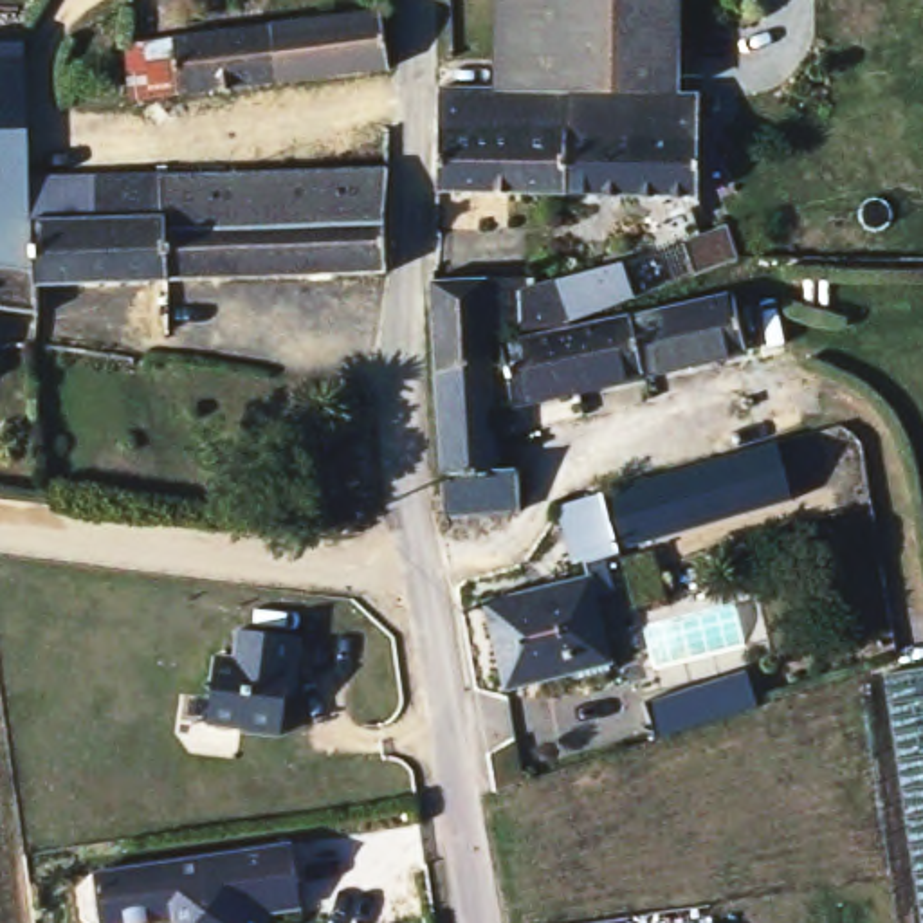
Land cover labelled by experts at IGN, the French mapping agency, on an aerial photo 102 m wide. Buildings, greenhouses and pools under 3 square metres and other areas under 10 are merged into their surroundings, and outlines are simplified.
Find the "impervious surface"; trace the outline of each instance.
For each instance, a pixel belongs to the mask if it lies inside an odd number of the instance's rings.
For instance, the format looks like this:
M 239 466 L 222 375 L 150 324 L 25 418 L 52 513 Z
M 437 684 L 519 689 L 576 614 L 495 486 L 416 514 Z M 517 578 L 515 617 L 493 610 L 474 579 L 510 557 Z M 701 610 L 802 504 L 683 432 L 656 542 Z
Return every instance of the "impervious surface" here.
M 728 602 L 739 609 L 746 649 L 764 645 L 768 631 L 764 602 L 757 595 L 743 595 L 732 595 Z
M 790 0 L 772 14 L 761 11 L 757 22 L 739 18 L 736 83 L 743 87 L 743 94 L 761 94 L 793 83 L 800 58 L 811 50 L 815 0 Z
M 393 728 L 393 739 L 375 754 L 382 764 L 404 764 L 407 790 L 415 790 L 418 811 L 411 818 L 418 826 L 357 833 L 353 840 L 353 865 L 321 898 L 324 923 L 505 923 L 483 818 L 483 793 L 494 790 L 498 775 L 516 779 L 519 772 L 526 772 L 530 779 L 541 779 L 552 772 L 544 761 L 537 761 L 534 743 L 552 743 L 570 728 L 591 728 L 591 739 L 599 746 L 617 743 L 624 736 L 645 739 L 656 736 L 649 725 L 649 699 L 671 689 L 656 671 L 645 667 L 645 649 L 631 663 L 591 663 L 580 667 L 573 678 L 591 678 L 606 671 L 609 685 L 602 685 L 595 696 L 591 685 L 577 685 L 566 696 L 544 696 L 541 685 L 519 685 L 512 678 L 501 681 L 498 671 L 483 671 L 472 613 L 490 606 L 487 591 L 530 584 L 573 562 L 570 544 L 562 541 L 562 512 L 541 508 L 537 501 L 516 516 L 447 512 L 443 494 L 433 490 L 429 469 L 418 465 L 425 436 L 411 429 L 411 404 L 404 400 L 404 386 L 415 379 L 415 364 L 407 357 L 422 353 L 425 296 L 433 288 L 436 267 L 516 260 L 523 256 L 523 238 L 512 227 L 508 213 L 519 206 L 523 195 L 454 191 L 451 202 L 436 202 L 429 187 L 429 177 L 440 173 L 440 90 L 458 79 L 494 83 L 498 65 L 490 58 L 465 58 L 465 0 L 389 0 L 382 36 L 389 61 L 397 65 L 389 79 L 321 90 L 260 90 L 213 112 L 195 112 L 191 105 L 166 112 L 162 105 L 148 108 L 144 115 L 79 112 L 65 115 L 54 101 L 54 47 L 61 40 L 61 25 L 58 18 L 40 11 L 32 25 L 0 25 L 0 130 L 25 130 L 29 198 L 40 198 L 47 177 L 94 177 L 97 166 L 123 162 L 224 159 L 231 169 L 252 173 L 350 166 L 389 169 L 386 267 L 324 270 L 328 281 L 321 285 L 288 281 L 288 270 L 278 270 L 187 274 L 184 285 L 173 288 L 166 288 L 166 278 L 90 278 L 83 281 L 83 288 L 40 288 L 40 328 L 32 346 L 90 361 L 137 361 L 151 346 L 187 350 L 267 357 L 285 368 L 288 389 L 296 389 L 314 368 L 335 368 L 343 375 L 343 386 L 357 400 L 379 400 L 382 469 L 397 483 L 386 516 L 371 530 L 339 537 L 317 541 L 303 552 L 288 534 L 270 541 L 252 537 L 191 526 L 83 523 L 72 516 L 58 516 L 54 526 L 0 523 L 0 552 L 206 580 L 332 588 L 343 602 L 350 602 L 350 613 L 357 620 L 364 620 L 375 635 L 389 638 L 397 703 L 393 717 L 386 721 Z
M 177 739 L 191 754 L 231 757 L 238 750 L 238 732 L 198 721 L 191 714 L 191 699 L 177 696 L 173 721 Z
M 685 238 L 685 227 L 696 216 L 696 202 L 689 195 L 588 195 L 588 202 L 599 213 L 577 224 L 555 224 L 555 238 L 584 238 L 602 267 L 624 263 L 624 234 L 642 234 L 649 227 L 656 245 Z

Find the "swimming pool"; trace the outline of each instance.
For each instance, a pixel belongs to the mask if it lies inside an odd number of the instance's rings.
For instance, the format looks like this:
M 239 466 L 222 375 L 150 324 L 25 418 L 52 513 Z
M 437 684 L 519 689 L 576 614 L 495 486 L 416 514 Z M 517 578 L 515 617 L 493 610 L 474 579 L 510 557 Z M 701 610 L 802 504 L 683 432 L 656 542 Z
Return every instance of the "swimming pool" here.
M 671 689 L 743 667 L 743 660 L 746 649 L 739 609 L 728 602 L 707 595 L 681 599 L 671 606 L 653 609 L 645 620 L 645 649 L 645 667 L 656 671 Z

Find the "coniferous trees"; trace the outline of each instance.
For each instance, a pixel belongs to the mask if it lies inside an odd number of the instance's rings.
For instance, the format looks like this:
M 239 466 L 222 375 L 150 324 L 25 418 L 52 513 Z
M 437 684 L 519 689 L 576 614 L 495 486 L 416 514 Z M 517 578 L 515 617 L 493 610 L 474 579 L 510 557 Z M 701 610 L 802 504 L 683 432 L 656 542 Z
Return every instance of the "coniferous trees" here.
M 252 530 L 252 537 L 270 541 L 288 534 L 303 552 L 317 541 L 339 537 L 317 508 L 314 462 L 303 447 L 303 436 L 288 433 L 278 422 L 267 422 L 263 429 L 242 429 L 238 440 L 213 443 L 209 451 L 216 465 L 216 483 L 206 487 L 206 501 L 231 501 L 234 516 Z
M 314 368 L 296 389 L 288 389 L 288 400 L 314 411 L 314 404 L 328 404 L 343 386 L 343 375 L 335 368 Z

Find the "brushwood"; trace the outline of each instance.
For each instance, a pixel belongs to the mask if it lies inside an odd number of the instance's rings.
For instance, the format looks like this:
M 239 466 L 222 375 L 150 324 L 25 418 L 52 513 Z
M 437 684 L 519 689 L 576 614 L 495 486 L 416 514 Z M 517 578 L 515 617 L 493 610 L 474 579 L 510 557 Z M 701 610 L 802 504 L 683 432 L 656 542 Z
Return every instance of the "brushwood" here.
M 281 375 L 285 368 L 267 357 L 187 350 L 191 357 L 263 368 L 263 375 Z
M 829 292 L 836 285 L 865 288 L 901 285 L 909 274 L 923 278 L 923 249 L 811 249 L 800 242 L 800 220 L 793 206 L 750 213 L 739 220 L 728 216 L 736 256 L 757 256 L 764 274 L 797 288 L 804 288 L 804 278 L 829 281 Z
M 541 685 L 544 696 L 566 696 L 577 685 L 591 685 L 595 696 L 602 685 L 609 685 L 606 671 L 591 678 L 573 678 L 548 678 Z
M 851 671 L 858 678 L 865 674 L 887 667 L 891 660 L 891 653 L 858 656 L 854 645 L 844 642 L 829 653 L 826 663 L 815 667 L 811 656 L 786 653 L 779 645 L 779 635 L 768 631 L 764 645 L 746 649 L 743 660 L 764 674 L 772 667 L 782 671 L 782 689 L 815 689 L 826 681 L 829 671 Z
M 894 411 L 909 440 L 923 498 L 923 415 L 916 400 L 883 368 L 844 350 L 822 350 L 815 357 L 818 364 L 862 382 Z
M 227 844 L 299 829 L 335 829 L 353 840 L 357 833 L 418 826 L 411 818 L 418 811 L 415 790 L 407 790 L 292 811 L 148 826 L 133 833 L 133 844 L 126 847 L 130 854 Z
M 775 310 L 775 317 L 782 328 L 797 321 L 822 332 L 840 332 L 844 317 L 829 310 L 829 303 L 804 296 Z
M 599 213 L 588 202 L 570 195 L 523 195 L 519 206 L 508 213 L 512 227 L 523 238 L 523 256 L 516 260 L 526 278 L 555 281 L 566 274 L 602 267 L 584 238 L 555 238 L 555 224 L 577 224 Z
M 537 761 L 544 761 L 552 772 L 580 775 L 588 764 L 613 764 L 624 754 L 642 750 L 645 739 L 624 736 L 617 743 L 599 746 L 591 739 L 591 728 L 570 728 L 552 743 L 534 743 Z
M 47 0 L 0 0 L 0 25 L 32 25 L 40 11 Z
M 83 523 L 191 526 L 252 537 L 252 530 L 234 516 L 231 501 L 206 501 L 206 487 L 177 480 L 159 505 L 148 505 L 144 498 L 126 490 L 101 490 L 90 483 L 69 487 L 61 480 L 47 480 L 40 422 L 22 415 L 22 404 L 36 397 L 32 350 L 18 346 L 14 371 L 0 379 L 0 498 L 40 501 L 58 516 L 72 516 Z
M 36 923 L 79 923 L 76 883 L 83 876 L 94 876 L 105 858 L 79 858 L 76 851 L 69 851 L 69 858 L 47 858 L 29 865 L 29 880 L 40 901 Z
M 54 47 L 54 101 L 65 115 L 79 112 L 94 94 L 101 94 L 112 83 L 72 58 L 76 29 L 61 25 L 61 40 Z

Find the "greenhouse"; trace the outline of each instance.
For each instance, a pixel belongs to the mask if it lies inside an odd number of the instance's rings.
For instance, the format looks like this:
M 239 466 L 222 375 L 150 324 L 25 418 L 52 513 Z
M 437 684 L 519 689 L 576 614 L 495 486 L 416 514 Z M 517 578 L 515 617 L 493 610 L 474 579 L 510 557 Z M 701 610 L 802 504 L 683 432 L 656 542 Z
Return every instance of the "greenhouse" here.
M 923 923 L 923 660 L 891 660 L 887 667 L 865 674 L 887 818 L 887 865 L 894 873 L 894 912 L 919 909 L 919 923 Z

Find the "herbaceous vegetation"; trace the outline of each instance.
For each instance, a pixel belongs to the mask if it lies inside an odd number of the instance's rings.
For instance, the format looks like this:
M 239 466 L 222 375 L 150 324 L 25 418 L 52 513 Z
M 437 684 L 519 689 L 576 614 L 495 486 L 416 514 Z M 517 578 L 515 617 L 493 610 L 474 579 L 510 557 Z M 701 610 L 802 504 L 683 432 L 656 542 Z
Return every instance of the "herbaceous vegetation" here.
M 101 0 L 79 18 L 76 29 L 72 58 L 112 83 L 101 94 L 94 94 L 79 112 L 144 115 L 148 108 L 162 105 L 166 94 L 144 94 L 126 79 L 126 54 L 137 43 L 169 40 L 173 29 L 187 22 L 252 18 L 270 7 L 270 0 Z
M 238 750 L 231 757 L 191 754 L 177 739 L 173 721 L 177 696 L 191 699 L 202 696 L 213 681 L 213 667 L 216 660 L 224 660 L 220 653 L 231 649 L 231 631 L 249 631 L 252 620 L 267 624 L 260 678 L 252 692 L 285 703 L 281 732 L 238 732 Z M 54 840 L 58 851 L 69 851 L 76 851 L 79 858 L 105 858 L 130 854 L 126 847 L 133 844 L 133 833 L 148 826 L 292 811 L 407 790 L 404 764 L 382 764 L 375 754 L 314 750 L 310 725 L 335 717 L 339 689 L 350 692 L 350 717 L 357 725 L 386 721 L 393 717 L 397 703 L 389 638 L 375 635 L 364 620 L 357 620 L 350 613 L 350 602 L 343 602 L 332 588 L 206 580 L 0 552 L 0 624 L 11 707 L 22 746 L 22 772 L 29 786 L 29 818 L 40 840 Z
M 797 343 L 808 346 L 815 357 L 822 350 L 844 350 L 883 368 L 916 400 L 923 415 L 923 278 L 909 274 L 901 285 L 865 288 L 836 285 L 829 292 L 829 281 L 804 278 L 804 288 L 797 288 L 764 274 L 757 256 L 736 256 L 728 216 L 739 220 L 750 213 L 793 206 L 800 220 L 800 242 L 811 249 L 923 249 L 923 0 L 815 0 L 811 50 L 800 58 L 793 83 L 761 94 L 743 94 L 743 87 L 736 83 L 739 18 L 725 14 L 717 0 L 681 0 L 681 87 L 699 90 L 696 202 L 696 216 L 685 227 L 685 238 L 656 245 L 649 252 L 649 270 L 663 281 L 721 274 L 721 281 L 703 292 L 736 296 L 739 314 L 754 303 L 761 306 L 764 299 L 775 299 L 775 310 L 804 296 L 829 303 L 829 310 L 844 317 L 840 332 L 822 332 L 797 321 L 782 328 L 775 317 L 764 324 L 761 346 L 768 353 L 779 353 L 782 343 Z
M 36 923 L 40 901 L 29 880 L 29 865 L 25 862 L 14 869 L 22 923 Z
M 498 0 L 465 0 L 465 58 L 490 58 Z
M 288 400 L 288 389 L 285 368 L 281 375 L 263 375 L 263 368 L 191 357 L 187 350 L 151 346 L 137 361 L 90 361 L 32 346 L 32 350 L 36 397 L 22 404 L 22 415 L 40 422 L 47 480 L 61 480 L 69 487 L 90 483 L 101 490 L 126 490 L 144 498 L 148 505 L 159 505 L 177 480 L 206 487 L 216 483 L 216 465 L 209 451 L 213 443 L 238 440 L 242 429 L 263 429 L 267 422 L 278 422 L 288 433 L 303 436 L 303 447 L 314 462 L 317 508 L 339 537 L 371 530 L 386 516 L 397 483 L 382 469 L 379 400 L 357 400 L 343 386 L 328 404 L 314 404 L 314 411 Z
M 526 772 L 519 772 L 516 779 L 498 775 L 494 790 L 483 793 L 483 818 L 505 923 L 919 923 L 919 909 L 894 912 L 894 873 L 887 865 L 887 818 L 865 674 L 858 678 L 851 671 L 829 671 L 826 681 L 815 689 L 782 689 L 768 692 L 768 699 L 761 703 L 732 725 L 699 728 L 681 743 L 656 736 L 645 739 L 642 750 L 624 754 L 613 764 L 588 764 L 580 775 L 552 772 L 541 779 L 530 779 Z

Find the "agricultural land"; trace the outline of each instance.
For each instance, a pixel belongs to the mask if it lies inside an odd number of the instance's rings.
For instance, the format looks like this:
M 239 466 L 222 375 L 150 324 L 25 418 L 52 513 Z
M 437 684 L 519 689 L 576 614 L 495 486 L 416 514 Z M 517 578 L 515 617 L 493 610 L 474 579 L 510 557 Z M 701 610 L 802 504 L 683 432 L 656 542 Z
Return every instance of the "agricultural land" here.
M 29 865 L 47 858 L 69 858 L 69 851 L 58 851 L 54 840 L 40 840 L 29 818 L 29 786 L 22 772 L 22 746 L 11 707 L 0 624 L 0 923 L 22 923 L 14 869 L 25 862 Z

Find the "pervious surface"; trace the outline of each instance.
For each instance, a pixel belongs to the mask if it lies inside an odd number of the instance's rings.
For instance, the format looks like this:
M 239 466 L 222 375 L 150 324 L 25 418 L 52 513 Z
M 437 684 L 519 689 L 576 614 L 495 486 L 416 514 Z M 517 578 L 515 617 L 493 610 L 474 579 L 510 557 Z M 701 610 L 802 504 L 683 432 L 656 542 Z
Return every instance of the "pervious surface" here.
M 386 721 L 357 725 L 350 717 L 350 692 L 339 689 L 335 717 L 310 725 L 314 750 L 375 754 L 393 739 L 393 728 Z
M 692 530 L 642 537 L 645 552 L 667 577 L 663 599 L 671 606 L 681 599 L 707 595 L 696 573 L 685 573 L 681 555 L 717 544 L 736 530 L 818 508 L 808 519 L 808 526 L 815 530 L 815 541 L 829 552 L 826 588 L 851 609 L 851 620 L 840 635 L 844 642 L 854 645 L 858 656 L 891 653 L 891 660 L 923 660 L 923 498 L 909 440 L 894 411 L 862 382 L 818 364 L 815 357 L 808 346 L 797 343 L 782 343 L 779 353 L 768 353 L 761 346 L 728 357 L 725 364 L 674 368 L 667 375 L 667 393 L 653 400 L 642 397 L 642 382 L 609 386 L 602 400 L 595 393 L 584 393 L 580 400 L 548 400 L 541 407 L 534 436 L 541 436 L 548 447 L 562 447 L 566 458 L 552 487 L 537 501 L 541 508 L 562 512 L 573 501 L 599 498 L 606 490 L 606 480 L 631 462 L 660 469 L 721 454 L 739 443 L 739 429 L 772 422 L 775 429 L 782 429 L 779 454 L 790 490 L 797 498 L 736 512 Z
M 0 498 L 0 523 L 54 526 L 58 516 L 40 501 Z
M 743 667 L 750 674 L 754 699 L 761 703 L 768 699 L 768 692 L 782 689 L 782 671 L 772 667 L 764 674 L 743 660 Z
M 58 18 L 61 25 L 76 29 L 79 18 L 101 0 L 47 0 L 40 11 Z

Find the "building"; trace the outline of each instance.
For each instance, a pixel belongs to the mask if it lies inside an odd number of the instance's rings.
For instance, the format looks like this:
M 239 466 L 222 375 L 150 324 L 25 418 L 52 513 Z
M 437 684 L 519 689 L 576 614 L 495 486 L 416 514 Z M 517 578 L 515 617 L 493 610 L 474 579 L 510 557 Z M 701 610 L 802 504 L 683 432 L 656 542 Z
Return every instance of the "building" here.
M 721 454 L 660 469 L 631 462 L 606 480 L 606 490 L 599 498 L 573 501 L 562 512 L 562 541 L 570 544 L 573 562 L 530 584 L 487 591 L 490 606 L 472 613 L 483 671 L 498 671 L 501 681 L 512 678 L 519 685 L 541 685 L 548 678 L 573 678 L 580 667 L 591 663 L 631 663 L 645 649 L 645 620 L 627 602 L 624 566 L 631 555 L 645 552 L 642 537 L 692 530 L 736 512 L 797 498 L 790 490 L 779 454 L 782 429 L 775 429 L 772 422 L 739 429 L 739 443 Z
M 216 660 L 213 667 L 213 681 L 202 696 L 191 699 L 191 714 L 198 721 L 238 732 L 281 732 L 285 703 L 252 692 L 260 678 L 267 624 L 252 620 L 249 631 L 231 631 L 231 649 L 220 653 L 224 660 Z
M 454 191 L 523 195 L 570 195 L 588 202 L 588 195 L 689 195 L 696 202 L 699 90 L 681 87 L 681 0 L 498 0 L 490 58 L 498 65 L 494 83 L 458 79 L 440 90 L 440 173 L 429 177 L 429 187 L 436 202 L 451 202 Z
M 653 400 L 667 393 L 667 375 L 674 368 L 725 364 L 728 357 L 761 346 L 764 324 L 775 317 L 775 310 L 775 299 L 764 299 L 761 306 L 754 303 L 739 314 L 736 296 L 703 292 L 721 281 L 721 274 L 663 281 L 649 270 L 649 252 L 656 245 L 649 227 L 642 234 L 624 234 L 624 263 L 602 267 L 566 274 L 555 281 L 526 278 L 516 260 L 436 267 L 433 288 L 425 296 L 422 353 L 407 357 L 415 364 L 415 379 L 404 386 L 404 400 L 411 404 L 411 429 L 425 436 L 418 465 L 429 469 L 433 490 L 443 494 L 447 512 L 516 516 L 537 501 L 552 487 L 566 458 L 562 447 L 548 447 L 541 436 L 534 436 L 541 407 L 548 400 L 580 400 L 584 393 L 595 393 L 602 400 L 609 386 L 642 382 L 642 397 Z
M 123 162 L 97 166 L 94 177 L 47 177 L 40 198 L 29 198 L 25 130 L 0 130 L 0 379 L 14 371 L 18 346 L 32 350 L 32 346 L 40 328 L 40 288 L 83 288 L 83 281 L 90 278 L 166 278 L 166 288 L 173 288 L 184 285 L 187 274 L 278 270 L 288 270 L 288 281 L 321 285 L 328 281 L 324 270 L 386 267 L 389 169 L 350 166 L 252 173 L 231 169 L 224 159 Z
M 671 689 L 649 699 L 649 725 L 656 736 L 681 743 L 699 728 L 732 725 L 761 703 L 754 699 L 750 674 L 743 667 Z
M 137 43 L 126 54 L 126 79 L 144 94 L 166 94 L 162 105 L 166 112 L 191 105 L 195 112 L 213 112 L 260 90 L 321 90 L 389 79 L 397 65 L 389 61 L 382 36 L 389 0 L 270 0 L 270 7 L 252 18 L 187 22 L 173 29 L 169 40 Z
M 79 923 L 324 923 L 321 898 L 353 865 L 353 840 L 335 829 L 299 829 L 227 844 L 130 854 L 105 858 L 94 876 L 83 876 L 76 883 Z

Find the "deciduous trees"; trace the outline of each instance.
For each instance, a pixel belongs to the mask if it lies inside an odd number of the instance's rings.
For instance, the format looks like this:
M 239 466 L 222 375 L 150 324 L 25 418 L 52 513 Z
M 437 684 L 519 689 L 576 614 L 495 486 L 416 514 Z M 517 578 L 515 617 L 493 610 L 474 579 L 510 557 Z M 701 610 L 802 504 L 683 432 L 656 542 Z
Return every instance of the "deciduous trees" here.
M 808 519 L 818 508 L 736 530 L 717 544 L 725 552 L 725 562 L 732 566 L 732 584 L 743 595 L 757 595 L 764 602 L 768 631 L 779 635 L 779 645 L 786 653 L 811 656 L 815 667 L 826 663 L 829 653 L 844 642 L 840 635 L 851 620 L 851 609 L 826 588 L 829 552 L 815 541 L 815 530 L 808 526 Z
M 739 18 L 757 22 L 761 11 L 772 14 L 790 0 L 717 0 L 725 14 Z
M 627 602 L 645 620 L 653 609 L 671 606 L 663 599 L 667 577 L 645 552 L 631 555 L 624 566 Z

